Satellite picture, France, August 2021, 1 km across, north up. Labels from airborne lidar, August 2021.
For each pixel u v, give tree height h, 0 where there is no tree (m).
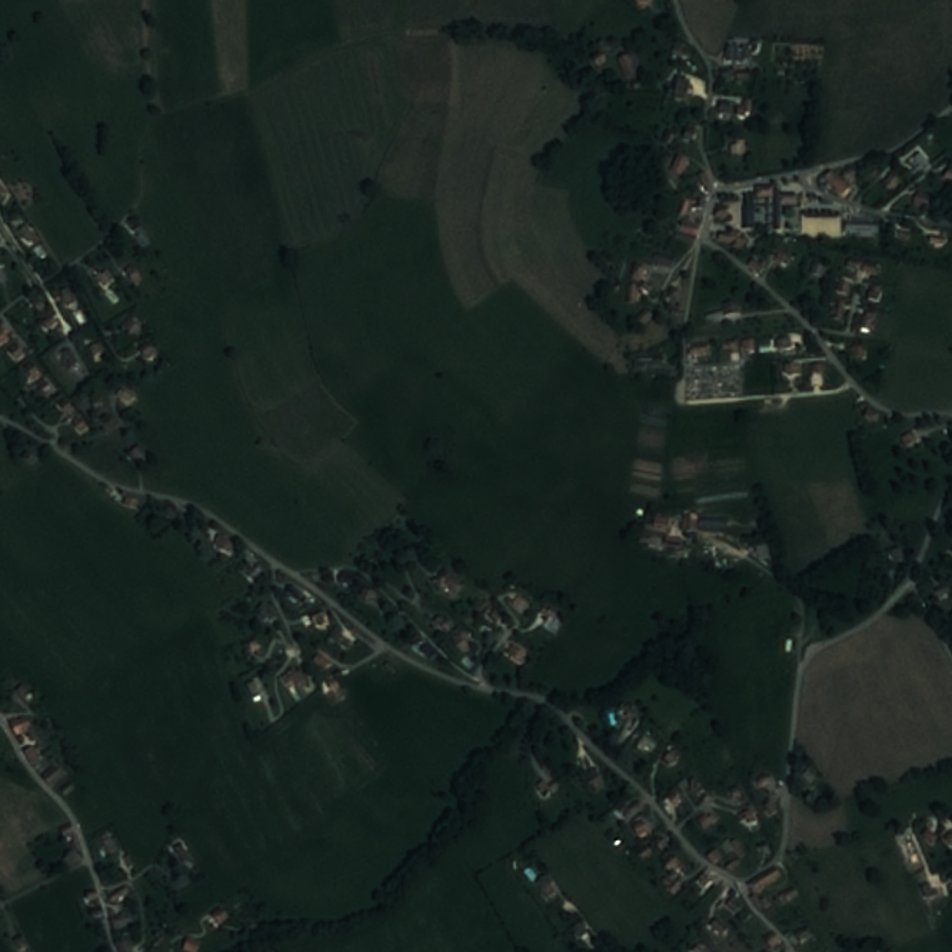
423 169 0
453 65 0
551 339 0
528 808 0
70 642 0
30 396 6
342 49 0
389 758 0
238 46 0
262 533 0
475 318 0
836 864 0
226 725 0
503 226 0
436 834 13
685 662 27
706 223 0
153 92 15
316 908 0
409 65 0
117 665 0
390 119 0
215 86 0
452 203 0
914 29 0
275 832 0
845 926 0
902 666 0
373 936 0
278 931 21
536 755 11
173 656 0
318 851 0
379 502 0
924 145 0
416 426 0
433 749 0
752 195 12
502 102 0
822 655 0
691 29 0
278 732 0
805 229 0
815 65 6
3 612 0
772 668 0
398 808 0
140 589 0
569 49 8
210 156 0
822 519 0
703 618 20
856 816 0
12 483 0
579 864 0
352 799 0
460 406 0
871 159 15
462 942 0
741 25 0
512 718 15
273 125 0
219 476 0
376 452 0
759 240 7
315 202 0
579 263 0
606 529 0
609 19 0
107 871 21
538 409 0
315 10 0
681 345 7
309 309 0
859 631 0
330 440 0
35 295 22
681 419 0
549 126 0
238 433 0
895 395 0
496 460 0
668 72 0
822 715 0
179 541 0
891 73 0
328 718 0
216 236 0
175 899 6
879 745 0
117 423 0
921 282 0
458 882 0
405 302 0
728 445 0
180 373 0
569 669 0
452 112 0
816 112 17
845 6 0
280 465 0
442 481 0
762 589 0
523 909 0
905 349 0
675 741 9
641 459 0
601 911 0
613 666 0
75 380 0
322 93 0
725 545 0
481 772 22
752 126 18
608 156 0
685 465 0
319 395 0
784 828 0
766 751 0
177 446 0
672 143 14
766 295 13
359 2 0
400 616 12
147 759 0
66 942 0
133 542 0
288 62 0
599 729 13
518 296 0
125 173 0
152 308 0
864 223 0
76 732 0
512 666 0
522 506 0
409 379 0
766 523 15
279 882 0
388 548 16
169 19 0
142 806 0
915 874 0
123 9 0
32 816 0
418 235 0
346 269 0
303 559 0
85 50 0
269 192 0
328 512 0
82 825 0
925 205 10
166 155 0
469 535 0
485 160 0
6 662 0
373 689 0
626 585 0
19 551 0
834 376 0
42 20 11
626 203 18
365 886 0
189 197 0
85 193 14
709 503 0
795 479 0
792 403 0
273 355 0
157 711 0
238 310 0
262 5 0
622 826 13
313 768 0
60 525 0
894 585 7
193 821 0
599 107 22
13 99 0
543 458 0
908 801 0
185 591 0
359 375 0
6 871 0
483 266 0
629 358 9
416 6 0
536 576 0
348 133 0
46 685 0
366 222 0
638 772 10
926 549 0
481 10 0
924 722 0
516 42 18
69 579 0
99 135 6
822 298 6
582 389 0
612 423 0
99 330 8
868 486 18
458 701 0
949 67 0
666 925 14
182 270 0
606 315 8
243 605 9
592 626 0
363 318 0
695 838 0
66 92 0
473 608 15
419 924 0
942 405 0
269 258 0
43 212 0
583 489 0
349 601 7
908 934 0
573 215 0
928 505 0
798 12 0
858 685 0
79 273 14
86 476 0
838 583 0
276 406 0
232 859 0
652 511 14
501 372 0
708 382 0
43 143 0
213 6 0
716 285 17
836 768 0
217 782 0
